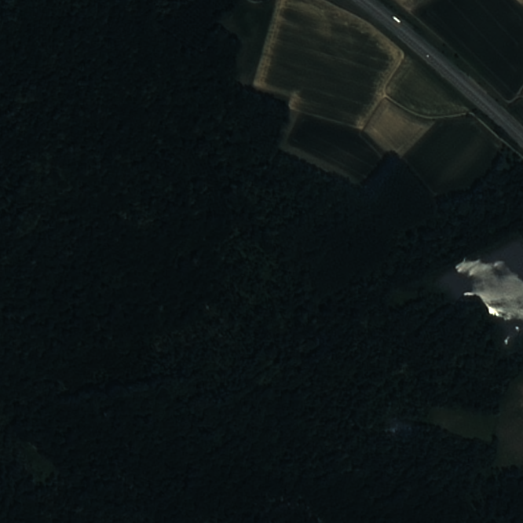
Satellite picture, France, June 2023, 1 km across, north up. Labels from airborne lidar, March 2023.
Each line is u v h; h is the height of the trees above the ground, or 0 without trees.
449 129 0
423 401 23
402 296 0
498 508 20
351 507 26
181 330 17
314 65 0
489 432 0
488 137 0
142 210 23
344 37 0
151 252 26
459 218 27
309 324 30
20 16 25
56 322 19
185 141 26
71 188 23
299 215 33
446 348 25
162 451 24
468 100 0
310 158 0
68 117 23
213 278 25
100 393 26
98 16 24
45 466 0
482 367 23
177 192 25
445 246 22
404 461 18
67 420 24
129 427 25
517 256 0
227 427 29
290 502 28
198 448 29
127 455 24
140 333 25
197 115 27
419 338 19
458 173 0
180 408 27
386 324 23
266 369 24
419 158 0
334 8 0
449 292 0
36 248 22
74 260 18
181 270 27
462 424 0
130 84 25
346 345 17
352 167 0
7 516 23
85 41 25
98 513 19
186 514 26
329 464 21
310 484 25
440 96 0
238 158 31
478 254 0
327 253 37
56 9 20
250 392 24
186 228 26
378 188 38
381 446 22
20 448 17
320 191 31
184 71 25
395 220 38
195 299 25
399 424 0
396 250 23
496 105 0
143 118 25
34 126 21
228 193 32
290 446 23
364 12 0
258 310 24
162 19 27
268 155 25
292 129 0
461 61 0
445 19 0
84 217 21
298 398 27
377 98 0
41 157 25
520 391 0
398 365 22
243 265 21
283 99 0
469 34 0
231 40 25
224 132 28
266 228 29
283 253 29
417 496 24
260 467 27
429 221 26
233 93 25
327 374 21
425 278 0
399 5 0
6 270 23
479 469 10
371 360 23
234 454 28
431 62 0
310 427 23
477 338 24
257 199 30
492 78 0
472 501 0
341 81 0
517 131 0
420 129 0
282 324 24
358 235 39
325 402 20
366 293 24
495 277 0
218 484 25
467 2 0
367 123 0
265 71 0
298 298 22
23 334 22
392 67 0
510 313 0
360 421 22
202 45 21
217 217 27
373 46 0
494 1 0
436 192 0
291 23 0
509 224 20
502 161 18
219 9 24
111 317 25
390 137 0
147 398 28
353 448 23
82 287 21
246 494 26
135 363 8
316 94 0
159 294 30
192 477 26
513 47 0
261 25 0
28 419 18
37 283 23
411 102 0
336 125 0
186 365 24
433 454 19
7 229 21
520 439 0
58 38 22
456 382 23
